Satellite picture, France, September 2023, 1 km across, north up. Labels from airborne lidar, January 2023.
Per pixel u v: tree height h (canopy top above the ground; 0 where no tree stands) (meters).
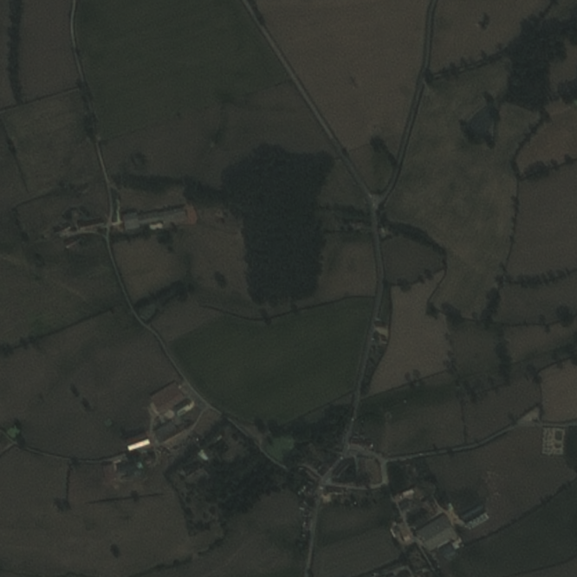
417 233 13
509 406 0
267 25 0
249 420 0
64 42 0
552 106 0
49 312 0
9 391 0
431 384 0
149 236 7
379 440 0
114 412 0
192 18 0
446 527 0
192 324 0
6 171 0
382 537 0
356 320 0
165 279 0
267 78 0
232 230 0
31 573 0
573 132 0
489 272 0
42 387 0
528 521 0
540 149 0
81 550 0
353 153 0
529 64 26
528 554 0
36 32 0
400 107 0
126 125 0
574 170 0
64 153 0
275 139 0
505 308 0
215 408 0
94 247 0
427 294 0
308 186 16
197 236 0
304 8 0
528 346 0
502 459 0
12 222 0
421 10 0
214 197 16
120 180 12
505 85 0
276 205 18
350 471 8
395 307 0
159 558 0
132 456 10
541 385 0
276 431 19
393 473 0
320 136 0
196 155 0
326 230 7
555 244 0
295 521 0
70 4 0
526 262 0
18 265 0
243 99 0
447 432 0
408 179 0
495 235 0
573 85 13
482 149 0
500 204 0
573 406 0
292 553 0
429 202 0
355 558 0
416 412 0
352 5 0
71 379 0
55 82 0
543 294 0
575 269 0
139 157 13
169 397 0
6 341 0
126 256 0
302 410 0
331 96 0
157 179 12
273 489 9
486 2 0
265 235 20
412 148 0
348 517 0
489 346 0
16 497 0
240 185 18
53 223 0
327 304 0
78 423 0
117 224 0
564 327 0
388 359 0
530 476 0
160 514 0
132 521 0
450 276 0
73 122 0
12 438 0
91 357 0
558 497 0
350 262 0
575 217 0
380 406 0
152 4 0
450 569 0
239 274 0
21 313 0
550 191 0
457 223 0
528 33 21
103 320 0
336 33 0
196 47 0
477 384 0
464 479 0
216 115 0
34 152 0
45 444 0
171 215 0
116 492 0
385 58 0
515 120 0
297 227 18
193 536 0
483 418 0
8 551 0
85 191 0
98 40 0
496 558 0
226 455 0
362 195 0
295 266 17
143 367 0
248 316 0
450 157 0
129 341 0
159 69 0
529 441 0
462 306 0
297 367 0
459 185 0
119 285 0
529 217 0
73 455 0
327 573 0
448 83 0
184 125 0
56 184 0
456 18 0
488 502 0
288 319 0
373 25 0
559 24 15
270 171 19
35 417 0
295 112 0
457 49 0
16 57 9
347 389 0
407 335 0
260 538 0
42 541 0
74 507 0
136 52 0
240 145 0
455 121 0
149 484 0
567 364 0
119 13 0
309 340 0
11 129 0
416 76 0
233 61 0
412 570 8
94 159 0
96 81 0
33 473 0
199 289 0
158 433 0
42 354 0
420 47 0
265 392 0
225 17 0
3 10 0
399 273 0
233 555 0
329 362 0
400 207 0
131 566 0
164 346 0
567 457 0
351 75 0
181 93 0
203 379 0
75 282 0
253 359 0
